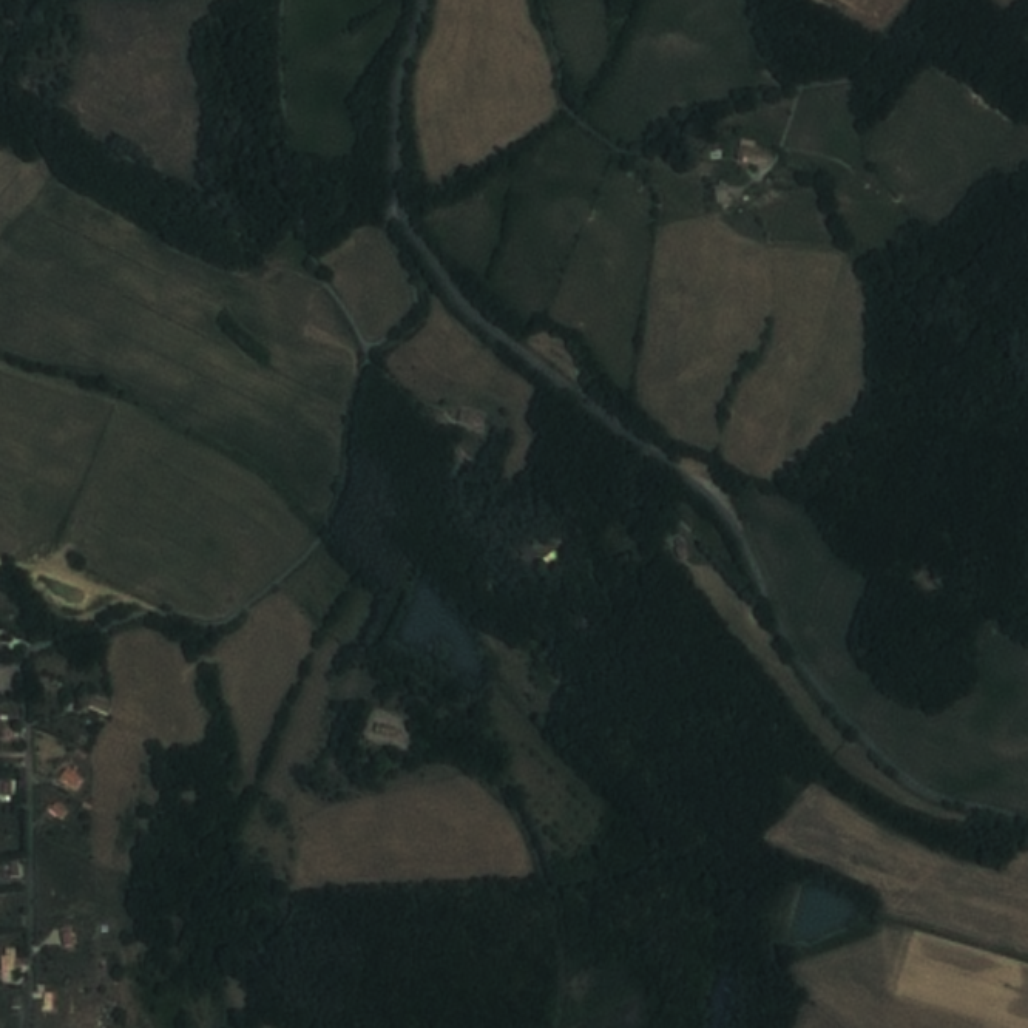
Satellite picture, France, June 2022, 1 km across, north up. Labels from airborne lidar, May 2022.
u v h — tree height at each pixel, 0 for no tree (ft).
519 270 0
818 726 0
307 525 0
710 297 0
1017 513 46
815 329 0
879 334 57
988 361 39
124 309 0
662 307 0
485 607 67
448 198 48
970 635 57
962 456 47
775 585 0
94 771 0
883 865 0
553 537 60
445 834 0
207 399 0
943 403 44
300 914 45
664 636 37
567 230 0
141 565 0
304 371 0
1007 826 53
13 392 0
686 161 60
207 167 67
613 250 0
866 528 39
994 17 40
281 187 75
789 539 0
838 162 0
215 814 70
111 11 0
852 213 0
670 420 0
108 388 29
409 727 40
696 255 0
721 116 41
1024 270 49
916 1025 0
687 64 0
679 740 48
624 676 55
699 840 76
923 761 0
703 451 33
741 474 29
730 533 47
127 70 0
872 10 0
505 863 0
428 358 0
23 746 31
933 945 0
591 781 25
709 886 73
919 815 28
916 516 51
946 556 22
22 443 0
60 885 0
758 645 0
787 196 0
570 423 66
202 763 57
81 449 0
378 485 45
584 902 21
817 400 0
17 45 53
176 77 0
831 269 0
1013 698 0
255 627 0
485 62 0
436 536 56
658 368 0
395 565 60
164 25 0
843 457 50
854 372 0
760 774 32
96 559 0
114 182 56
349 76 0
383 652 61
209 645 22
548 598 54
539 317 39
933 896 0
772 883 47
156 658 0
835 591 0
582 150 0
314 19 0
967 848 23
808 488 60
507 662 0
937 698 63
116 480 0
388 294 0
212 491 0
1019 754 0
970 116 0
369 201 62
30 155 45
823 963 0
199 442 0
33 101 44
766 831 44
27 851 43
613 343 0
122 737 0
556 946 47
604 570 51
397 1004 39
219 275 0
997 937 0
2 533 0
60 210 0
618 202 0
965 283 32
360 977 35
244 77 48
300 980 49
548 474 37
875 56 47
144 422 0
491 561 80
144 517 0
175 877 70
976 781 0
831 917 0
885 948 0
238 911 62
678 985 59
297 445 0
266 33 54
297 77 0
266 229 60
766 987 60
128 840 0
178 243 53
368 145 38
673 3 0
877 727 0
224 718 58
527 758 0
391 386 39
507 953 47
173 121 0
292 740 0
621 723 55
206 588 0
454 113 0
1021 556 32
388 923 33
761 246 0
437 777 0
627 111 0
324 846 0
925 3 55
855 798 20
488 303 53
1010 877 0
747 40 0
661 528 56
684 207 0
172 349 0
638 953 26
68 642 53
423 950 35
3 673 0
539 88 0
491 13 0
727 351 0
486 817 0
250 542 0
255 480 0
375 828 0
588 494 46
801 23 43
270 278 0
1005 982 0
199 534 0
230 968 57
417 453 52
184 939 51
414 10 50
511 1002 48
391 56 49
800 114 0
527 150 43
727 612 0
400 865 0
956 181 0
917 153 0
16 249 0
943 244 29
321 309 0
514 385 0
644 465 71
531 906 46
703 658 63
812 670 0
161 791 35
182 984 44
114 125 0
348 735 48
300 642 0
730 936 56
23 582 82
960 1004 0
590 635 51
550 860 31
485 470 73
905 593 52
